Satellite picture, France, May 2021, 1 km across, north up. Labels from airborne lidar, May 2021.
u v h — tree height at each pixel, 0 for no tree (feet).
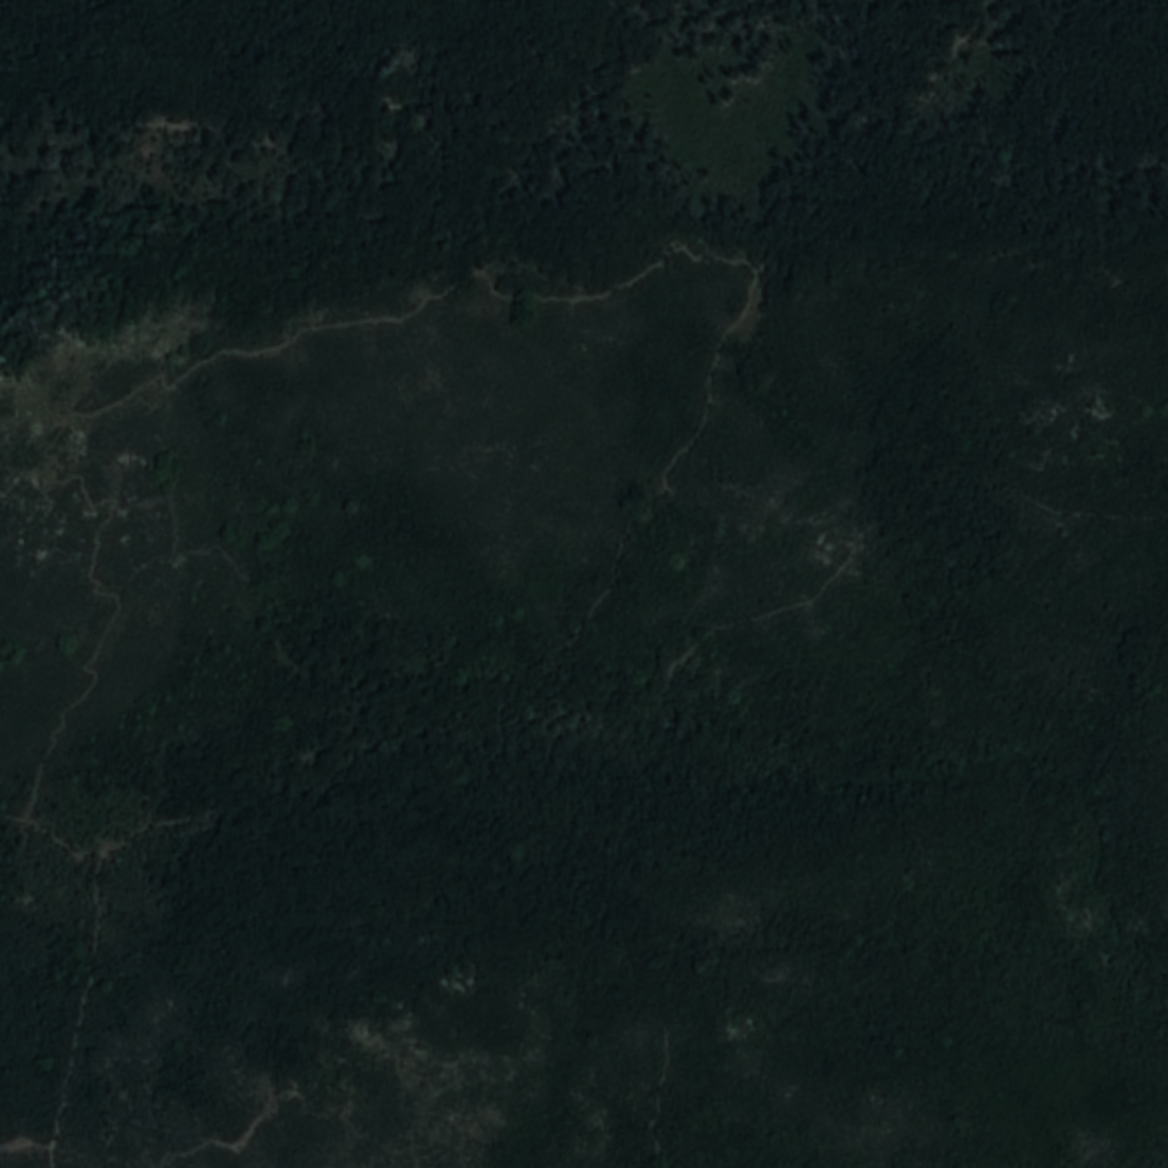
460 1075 0
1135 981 19
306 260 43
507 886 56
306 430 21
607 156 71
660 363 19
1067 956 36
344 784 51
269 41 35
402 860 52
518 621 27
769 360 30
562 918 41
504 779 48
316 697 43
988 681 35
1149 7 65
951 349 43
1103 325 20
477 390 0
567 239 39
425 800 57
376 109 49
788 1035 22
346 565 22
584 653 30
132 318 26
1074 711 34
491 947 33
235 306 34
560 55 69
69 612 0
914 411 75
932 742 43
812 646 22
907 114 77
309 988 24
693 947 41
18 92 49
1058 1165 25
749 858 31
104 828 23
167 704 20
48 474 0
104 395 0
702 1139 19
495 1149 22
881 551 21
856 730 23
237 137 53
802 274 41
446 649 40
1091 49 75
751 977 19
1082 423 21
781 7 69
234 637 23
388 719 55
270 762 38
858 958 37
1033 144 63
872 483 56
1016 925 38
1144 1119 26
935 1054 29
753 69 73
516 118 70
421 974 35
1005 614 24
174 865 31
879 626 24
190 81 50
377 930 28
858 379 23
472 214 44
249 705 43
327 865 43
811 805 64
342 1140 0
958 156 55
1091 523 18
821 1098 17
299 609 50
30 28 53
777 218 64
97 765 20
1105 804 29
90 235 34
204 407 26
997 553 56
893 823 41
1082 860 36
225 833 43
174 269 34
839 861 29
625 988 38
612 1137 19
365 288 29
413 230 42
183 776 26
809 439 27
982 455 47
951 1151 19
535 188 54
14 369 22
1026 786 22
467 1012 20
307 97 57
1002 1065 27
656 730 64
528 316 53
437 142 21
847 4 77
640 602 22
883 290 20
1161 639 27
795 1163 22
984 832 29
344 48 48
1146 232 40
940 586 54
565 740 55
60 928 26
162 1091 22
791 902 20
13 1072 17
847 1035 21
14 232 39
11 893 19
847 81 80
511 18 68
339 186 43
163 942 22
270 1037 22
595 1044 25
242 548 26
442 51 29
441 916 34
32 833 19
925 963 27
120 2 53
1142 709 27
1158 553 22
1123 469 23
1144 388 17
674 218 49
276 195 32
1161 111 50
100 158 26
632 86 71
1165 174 61
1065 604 20
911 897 39
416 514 31
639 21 75
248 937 31
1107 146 51
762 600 19
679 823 58
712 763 57
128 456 0
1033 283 22
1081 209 51
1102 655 20
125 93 45
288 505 46
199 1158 0
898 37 77
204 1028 22
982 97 74
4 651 41
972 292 18
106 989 32
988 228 49
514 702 57
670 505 21
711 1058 20
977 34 57
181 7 46
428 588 21
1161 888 18
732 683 25
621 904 48
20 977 24
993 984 33
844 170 59
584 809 55
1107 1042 21
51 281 33
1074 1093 21
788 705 40
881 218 50
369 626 50
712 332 26
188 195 36
